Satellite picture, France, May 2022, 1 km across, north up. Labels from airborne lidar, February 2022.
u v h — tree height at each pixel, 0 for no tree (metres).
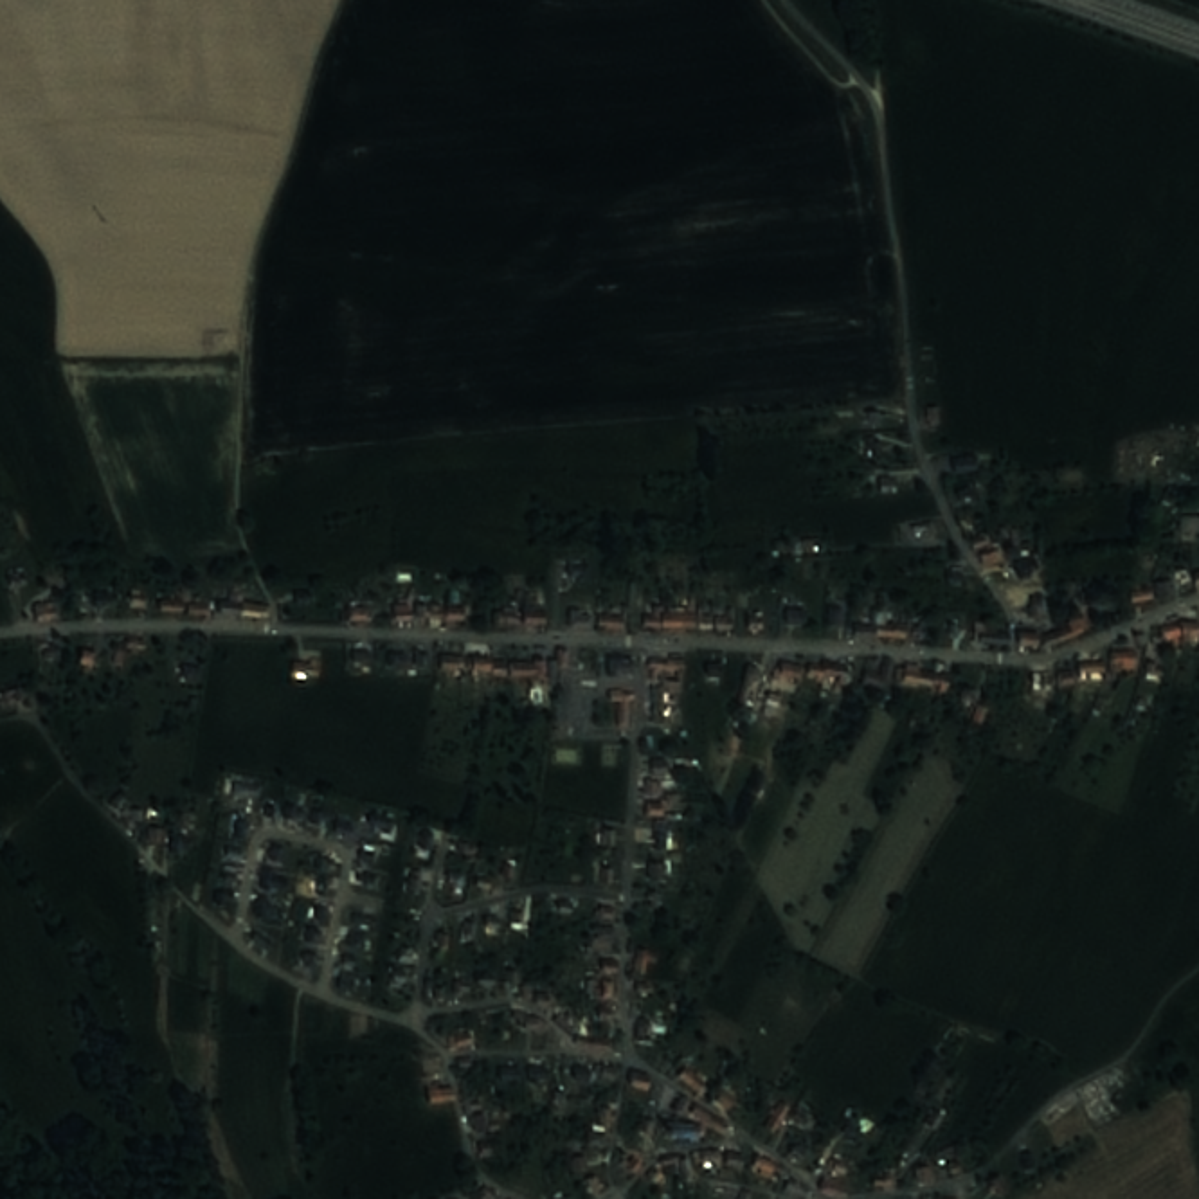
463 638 0
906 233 0
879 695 16
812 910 0
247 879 0
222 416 0
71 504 0
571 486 0
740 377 0
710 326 0
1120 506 0
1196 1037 0
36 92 0
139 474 0
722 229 0
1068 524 0
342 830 0
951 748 0
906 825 0
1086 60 0
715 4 0
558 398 0
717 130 0
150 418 0
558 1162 7
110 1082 20
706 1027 0
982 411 0
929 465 0
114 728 0
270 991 0
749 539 0
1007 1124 0
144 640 0
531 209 0
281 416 0
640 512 0
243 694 0
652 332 0
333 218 0
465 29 0
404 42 0
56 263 0
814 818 0
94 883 0
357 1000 0
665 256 0
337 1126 0
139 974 0
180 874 0
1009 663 0
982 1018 0
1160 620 0
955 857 0
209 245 0
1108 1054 0
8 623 0
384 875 0
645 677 0
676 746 6
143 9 0
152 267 0
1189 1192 0
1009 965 0
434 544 0
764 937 0
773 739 0
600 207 0
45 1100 0
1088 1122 0
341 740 0
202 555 0
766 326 0
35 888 11
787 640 0
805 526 0
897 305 0
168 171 0
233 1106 0
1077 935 0
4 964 0
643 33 0
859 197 0
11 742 0
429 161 0
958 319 0
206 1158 26
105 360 0
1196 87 0
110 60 0
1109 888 0
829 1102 0
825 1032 0
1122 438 0
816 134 0
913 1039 0
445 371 0
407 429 0
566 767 0
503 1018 6
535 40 0
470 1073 6
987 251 0
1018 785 0
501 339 0
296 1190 0
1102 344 0
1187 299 0
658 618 0
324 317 0
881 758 0
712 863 0
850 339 0
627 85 0
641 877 0
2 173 0
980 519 6
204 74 0
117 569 7
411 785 0
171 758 0
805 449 0
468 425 0
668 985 0
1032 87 0
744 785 0
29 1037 0
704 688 0
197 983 0
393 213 0
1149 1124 0
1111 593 19
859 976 0
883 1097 0
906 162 0
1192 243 0
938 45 0
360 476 0
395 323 0
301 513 0
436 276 0
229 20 0
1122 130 0
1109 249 0
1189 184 0
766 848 0
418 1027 0
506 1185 0
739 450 0
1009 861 0
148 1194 29
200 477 0
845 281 0
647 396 0
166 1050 0
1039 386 0
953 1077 7
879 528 0
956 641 0
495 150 0
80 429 0
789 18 0
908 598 8
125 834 0
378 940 0
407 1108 0
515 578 0
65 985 0
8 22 0
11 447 0
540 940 9
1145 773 0
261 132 0
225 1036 0
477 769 9
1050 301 0
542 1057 0
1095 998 0
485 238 0
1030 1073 0
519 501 0
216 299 0
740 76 0
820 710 10
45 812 0
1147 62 0
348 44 0
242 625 0
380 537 0
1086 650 0
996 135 0
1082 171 0
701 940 13
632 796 0
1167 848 0
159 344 0
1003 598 0
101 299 0
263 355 0
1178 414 0
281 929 0
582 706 0
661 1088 0
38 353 0
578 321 0
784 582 11
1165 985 0
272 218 0
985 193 0
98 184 0
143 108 0
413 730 0
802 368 0
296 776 0
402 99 0
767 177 0
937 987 0
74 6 0
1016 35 0
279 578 16
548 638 0
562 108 0
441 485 0
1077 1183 0
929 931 0
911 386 0
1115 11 0
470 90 0
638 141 0
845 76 0
